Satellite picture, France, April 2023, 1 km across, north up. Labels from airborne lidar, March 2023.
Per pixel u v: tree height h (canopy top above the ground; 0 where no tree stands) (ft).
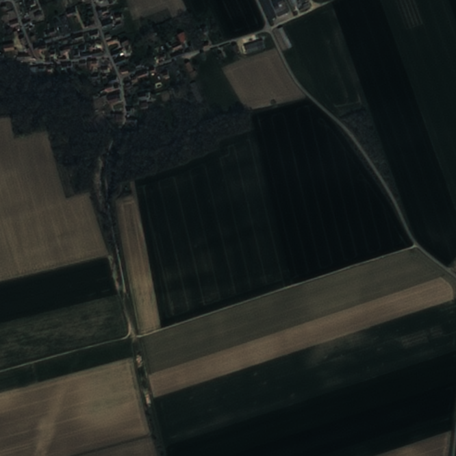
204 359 0
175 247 0
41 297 0
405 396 0
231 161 0
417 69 0
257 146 0
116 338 0
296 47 0
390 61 0
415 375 0
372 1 0
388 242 0
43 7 61
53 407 0
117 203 0
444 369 0
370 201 0
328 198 0
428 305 0
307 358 0
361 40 0
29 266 0
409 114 0
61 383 0
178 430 0
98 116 0
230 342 0
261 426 0
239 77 0
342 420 0
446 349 0
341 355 0
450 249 0
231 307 0
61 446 0
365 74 0
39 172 0
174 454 0
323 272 0
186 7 0
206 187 0
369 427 0
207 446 0
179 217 0
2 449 0
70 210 0
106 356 0
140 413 0
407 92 0
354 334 0
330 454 0
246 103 0
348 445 0
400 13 0
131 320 0
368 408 0
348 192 0
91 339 0
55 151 52
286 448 0
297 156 0
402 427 0
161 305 0
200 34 37
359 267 0
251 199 0
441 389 0
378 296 0
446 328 0
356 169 0
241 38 0
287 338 0
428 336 0
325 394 0
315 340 0
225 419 0
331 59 0
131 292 0
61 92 72
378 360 0
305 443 0
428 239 0
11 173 0
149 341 0
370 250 0
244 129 49
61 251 0
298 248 0
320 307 0
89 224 0
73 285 0
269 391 0
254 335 0
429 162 0
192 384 0
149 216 0
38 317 0
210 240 0
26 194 0
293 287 0
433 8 0
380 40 0
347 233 0
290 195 0
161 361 0
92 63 0
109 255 0
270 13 0
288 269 0
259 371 0
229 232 0
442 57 0
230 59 0
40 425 0
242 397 0
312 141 0
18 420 0
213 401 0
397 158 0
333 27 0
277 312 0
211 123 58
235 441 0
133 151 80
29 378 0
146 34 56
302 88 0
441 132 0
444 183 0
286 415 0
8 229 0
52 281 0
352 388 0
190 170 0
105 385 0
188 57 0
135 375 0
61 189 0
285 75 0
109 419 0
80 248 0
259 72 0
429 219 0
